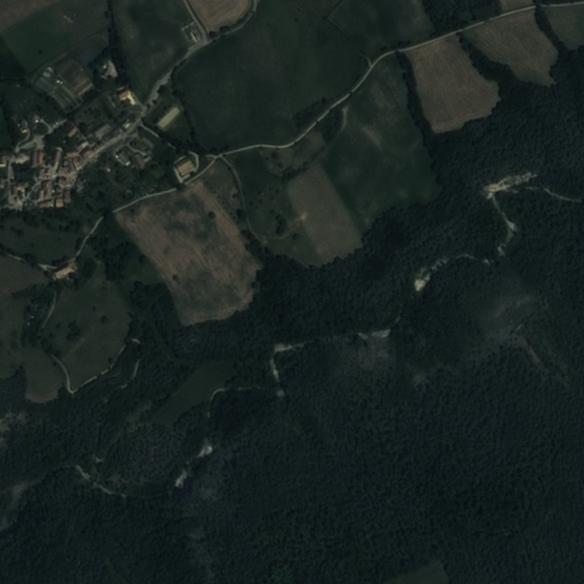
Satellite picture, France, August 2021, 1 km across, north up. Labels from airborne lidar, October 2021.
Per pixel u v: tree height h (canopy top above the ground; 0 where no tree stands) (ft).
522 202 53
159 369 48
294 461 28
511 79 70
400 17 0
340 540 46
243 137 0
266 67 0
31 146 0
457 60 0
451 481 80
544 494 52
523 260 46
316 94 0
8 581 58
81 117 22
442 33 41
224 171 0
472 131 42
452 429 41
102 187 20
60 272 0
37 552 55
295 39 0
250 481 44
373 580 23
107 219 64
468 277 41
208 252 0
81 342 0
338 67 0
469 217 34
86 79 0
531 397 22
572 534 35
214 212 28
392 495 61
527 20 0
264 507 55
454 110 0
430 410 31
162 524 62
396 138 0
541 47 0
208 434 45
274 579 44
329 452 23
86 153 0
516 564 42
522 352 27
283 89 0
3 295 0
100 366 0
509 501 48
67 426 56
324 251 0
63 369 0
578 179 57
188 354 51
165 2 0
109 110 0
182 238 0
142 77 0
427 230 47
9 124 21
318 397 30
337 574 57
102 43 0
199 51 0
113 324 0
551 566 24
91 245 33
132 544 38
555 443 50
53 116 0
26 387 32
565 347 21
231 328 42
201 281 0
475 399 30
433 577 0
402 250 41
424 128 53
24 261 24
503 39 0
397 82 0
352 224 0
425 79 0
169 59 0
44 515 45
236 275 0
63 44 0
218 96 0
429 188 0
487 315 0
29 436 50
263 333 56
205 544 30
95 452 22
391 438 49
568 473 40
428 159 0
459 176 24
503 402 37
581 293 29
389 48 25
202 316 0
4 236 0
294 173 19
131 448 34
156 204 0
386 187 0
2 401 32
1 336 0
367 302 49
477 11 63
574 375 21
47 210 29
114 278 62
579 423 34
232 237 0
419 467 75
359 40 0
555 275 24
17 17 0
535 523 34
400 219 65
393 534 36
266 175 0
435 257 29
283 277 27
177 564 65
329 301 43
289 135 0
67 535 50
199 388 0
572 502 42
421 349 21
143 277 0
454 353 19
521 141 64
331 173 0
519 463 51
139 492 19
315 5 0
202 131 0
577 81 39
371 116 0
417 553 55
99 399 43
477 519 75
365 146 0
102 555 44
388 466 50
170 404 0
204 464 31
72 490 46
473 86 0
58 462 27
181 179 0
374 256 42
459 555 36
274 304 52
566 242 31
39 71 0
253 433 28
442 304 29
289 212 0
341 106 23
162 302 30
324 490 33
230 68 0
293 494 52
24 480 43
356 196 0
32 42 0
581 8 0
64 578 44
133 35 0
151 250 0
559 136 39
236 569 52
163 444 33
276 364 28
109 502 36
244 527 28
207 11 0
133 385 44
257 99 0
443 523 45
